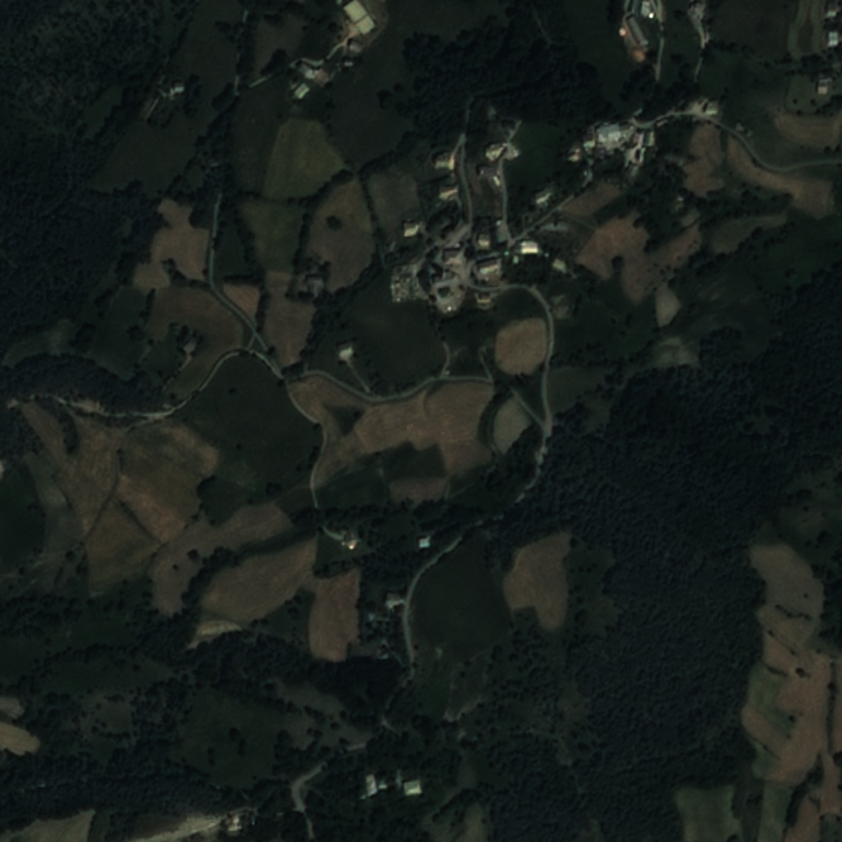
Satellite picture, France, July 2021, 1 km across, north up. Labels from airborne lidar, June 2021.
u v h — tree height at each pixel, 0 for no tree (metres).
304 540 0
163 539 0
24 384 16
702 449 28
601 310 0
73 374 17
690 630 9
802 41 0
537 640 9
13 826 12
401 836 10
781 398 8
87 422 0
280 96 0
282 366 0
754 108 0
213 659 18
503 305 0
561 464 13
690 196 12
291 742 12
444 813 11
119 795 17
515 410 0
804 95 0
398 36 0
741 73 0
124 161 0
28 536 0
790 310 17
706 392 14
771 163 0
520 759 8
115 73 16
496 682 6
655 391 23
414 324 0
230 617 0
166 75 6
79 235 19
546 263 11
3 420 16
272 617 0
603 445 15
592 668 8
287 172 0
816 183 0
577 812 12
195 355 8
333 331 6
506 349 0
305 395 0
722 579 8
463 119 13
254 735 0
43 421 0
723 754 6
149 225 20
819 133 0
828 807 0
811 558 0
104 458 0
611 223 0
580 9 0
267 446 0
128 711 0
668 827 11
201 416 0
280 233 0
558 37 9
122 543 0
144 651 8
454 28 0
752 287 0
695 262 13
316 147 0
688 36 0
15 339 18
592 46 0
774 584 0
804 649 0
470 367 0
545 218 0
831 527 0
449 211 7
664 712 6
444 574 0
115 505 0
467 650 0
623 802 10
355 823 7
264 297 10
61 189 10
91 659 17
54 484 0
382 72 0
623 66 0
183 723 7
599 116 12
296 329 0
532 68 27
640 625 7
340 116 0
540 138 0
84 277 19
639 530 15
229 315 0
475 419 0
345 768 9
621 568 14
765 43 0
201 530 0
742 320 0
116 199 10
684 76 14
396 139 0
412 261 0
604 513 10
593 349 11
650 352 8
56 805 12
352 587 0
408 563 14
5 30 23
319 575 9
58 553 0
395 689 18
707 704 6
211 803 7
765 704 0
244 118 0
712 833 0
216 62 0
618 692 12
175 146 0
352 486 0
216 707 0
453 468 0
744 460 15
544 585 0
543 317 0
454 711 0
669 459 14
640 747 8
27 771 13
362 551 0
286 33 0
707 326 0
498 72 27
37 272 25
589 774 10
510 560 17
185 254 0
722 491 19
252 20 14
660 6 0
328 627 0
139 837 0
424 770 11
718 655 9
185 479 0
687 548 12
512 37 20
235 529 0
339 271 0
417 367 0
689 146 0
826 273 11
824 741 0
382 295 0
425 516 22
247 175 0
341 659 0
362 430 0
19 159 7
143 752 17
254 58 10
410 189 0
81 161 13
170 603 0
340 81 0
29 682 14
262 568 0
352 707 15
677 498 16
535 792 9
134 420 8
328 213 0
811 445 17
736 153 0
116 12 16
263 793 14
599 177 6
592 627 0
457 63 20
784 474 21
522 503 7
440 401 0
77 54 14
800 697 0
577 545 12
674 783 7
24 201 15
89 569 8
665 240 10
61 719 17
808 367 14
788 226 6
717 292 0
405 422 0
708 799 0
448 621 0
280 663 13
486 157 0
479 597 0
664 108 12
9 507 0
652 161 6
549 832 9
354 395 0
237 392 8
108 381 19
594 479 7
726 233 0
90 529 0
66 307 15
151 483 0
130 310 0
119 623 0
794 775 0
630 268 0
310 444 0
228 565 6
